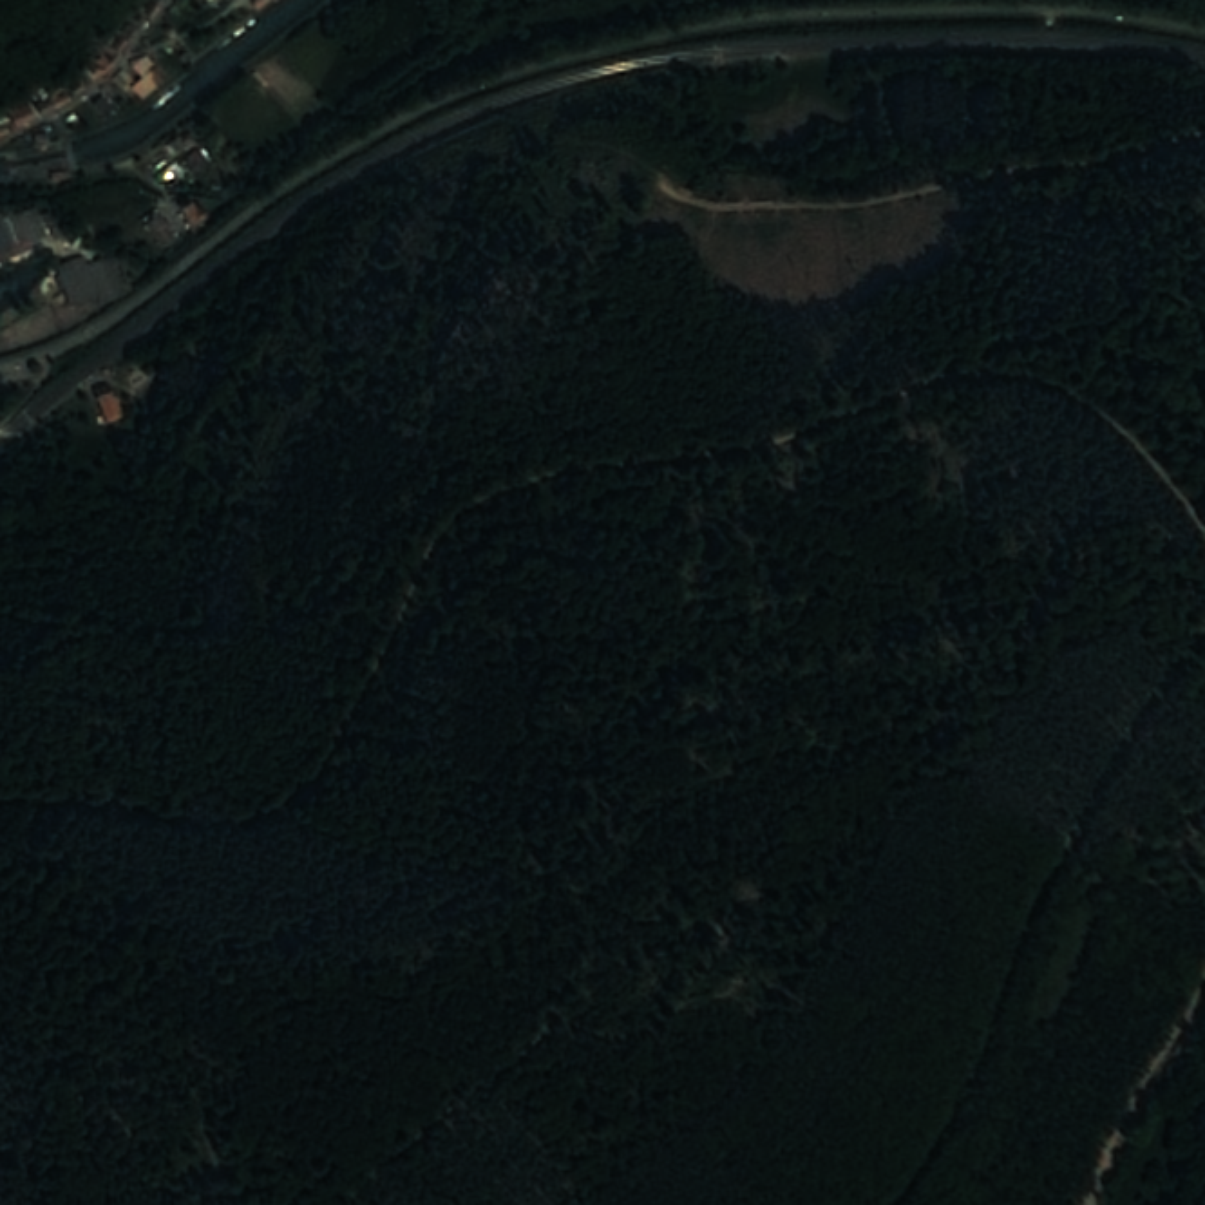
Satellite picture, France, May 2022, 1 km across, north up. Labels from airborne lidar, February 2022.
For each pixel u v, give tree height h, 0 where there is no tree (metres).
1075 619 29
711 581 13
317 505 14
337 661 20
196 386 21
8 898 22
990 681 29
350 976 12
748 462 34
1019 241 27
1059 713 25
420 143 0
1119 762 30
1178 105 24
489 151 0
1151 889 19
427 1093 12
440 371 13
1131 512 27
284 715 23
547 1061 9
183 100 0
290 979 13
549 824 28
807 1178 17
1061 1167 17
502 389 22
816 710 11
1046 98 19
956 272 25
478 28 19
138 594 11
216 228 0
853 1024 19
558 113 0
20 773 31
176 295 0
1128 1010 19
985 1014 17
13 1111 28
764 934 34
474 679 19
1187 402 34
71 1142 26
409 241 30
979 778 26
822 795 11
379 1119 13
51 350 0
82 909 23
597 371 19
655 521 16
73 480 7
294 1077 14
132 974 20
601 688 26
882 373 23
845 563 14
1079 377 27
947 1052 17
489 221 8
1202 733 28
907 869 19
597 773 24
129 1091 27
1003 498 26
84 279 0
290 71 0
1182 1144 20
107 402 0
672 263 26
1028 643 29
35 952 23
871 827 14
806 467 32
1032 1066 19
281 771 26
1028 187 16
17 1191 28
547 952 10
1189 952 15
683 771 20
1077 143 18
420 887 29
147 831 26
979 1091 19
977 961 19
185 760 29
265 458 33
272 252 11
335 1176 11
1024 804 28
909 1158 17
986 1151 14
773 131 0
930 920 17
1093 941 14
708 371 27
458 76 26
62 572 14
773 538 19
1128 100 19
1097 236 35
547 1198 20
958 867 16
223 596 26
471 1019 10
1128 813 24
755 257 24
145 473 24
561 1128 13
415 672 26
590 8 0
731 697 16
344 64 0
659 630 28
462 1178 19
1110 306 31
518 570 19
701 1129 17
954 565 33
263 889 30
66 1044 20
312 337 33
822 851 7
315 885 28
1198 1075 21
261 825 24
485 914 31
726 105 0
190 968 24
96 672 25
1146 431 29
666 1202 18
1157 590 29
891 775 9
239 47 0
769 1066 22
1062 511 27
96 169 0
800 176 25
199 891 28
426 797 26
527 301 21
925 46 0
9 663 22
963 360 18
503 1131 19
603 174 0
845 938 18
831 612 12
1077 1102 16
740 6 22
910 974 18
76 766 30
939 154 32
